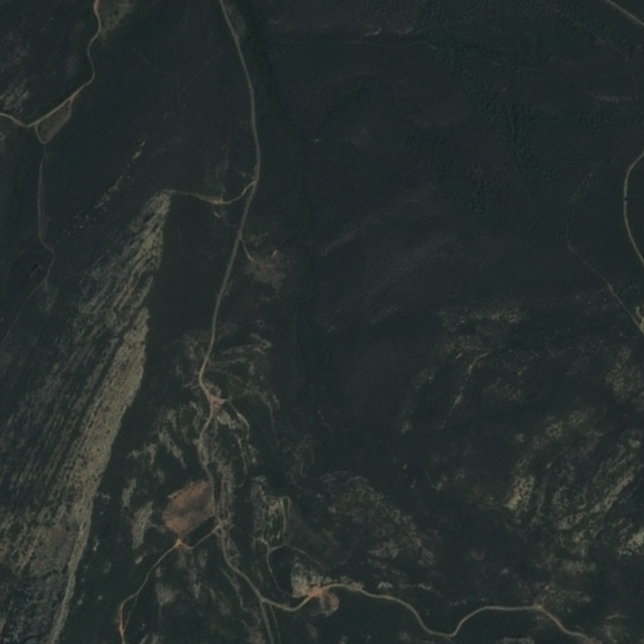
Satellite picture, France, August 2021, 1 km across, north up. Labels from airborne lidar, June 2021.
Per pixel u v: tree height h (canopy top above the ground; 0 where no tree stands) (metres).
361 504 0
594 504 0
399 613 0
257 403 0
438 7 5
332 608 0
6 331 0
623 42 6
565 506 0
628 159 0
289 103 0
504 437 0
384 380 0
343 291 0
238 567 0
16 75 0
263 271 0
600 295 0
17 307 0
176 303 0
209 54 0
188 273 0
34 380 0
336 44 0
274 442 0
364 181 0
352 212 0
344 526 0
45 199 0
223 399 0
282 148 0
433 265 0
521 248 0
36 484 0
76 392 0
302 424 0
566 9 6
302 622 0
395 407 0
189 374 0
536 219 0
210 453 0
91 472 0
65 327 0
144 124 0
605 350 0
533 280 0
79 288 0
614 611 0
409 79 0
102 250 0
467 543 0
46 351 0
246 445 0
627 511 0
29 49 0
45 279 0
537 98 0
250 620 0
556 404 0
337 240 0
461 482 0
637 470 0
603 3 0
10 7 0
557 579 0
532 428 0
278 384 0
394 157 0
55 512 0
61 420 0
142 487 0
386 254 0
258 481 0
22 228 0
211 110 0
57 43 0
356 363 0
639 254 0
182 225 0
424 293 0
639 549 0
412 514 0
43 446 0
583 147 0
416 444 0
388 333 0
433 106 0
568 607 0
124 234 0
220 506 0
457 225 0
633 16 0
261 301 0
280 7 0
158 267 0
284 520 0
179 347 0
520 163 6
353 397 0
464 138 0
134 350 0
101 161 0
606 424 0
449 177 0
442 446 0
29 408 0
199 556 0
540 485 0
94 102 0
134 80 0
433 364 0
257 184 0
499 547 0
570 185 0
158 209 0
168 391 0
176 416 0
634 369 0
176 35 0
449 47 7
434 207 0
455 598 0
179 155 0
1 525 0
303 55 0
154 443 0
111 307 0
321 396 0
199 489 0
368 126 0
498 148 0
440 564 0
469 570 0
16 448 0
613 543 0
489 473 0
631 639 0
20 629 0
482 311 0
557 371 0
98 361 0
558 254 0
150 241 0
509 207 0
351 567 0
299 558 0
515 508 0
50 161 0
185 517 0
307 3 0
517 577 0
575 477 0
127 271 0
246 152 0
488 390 0
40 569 0
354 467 0
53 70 0
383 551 0
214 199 0
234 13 0
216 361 0
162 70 0
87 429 0
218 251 0
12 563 0
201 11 0
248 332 0
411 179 0
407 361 0
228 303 0
